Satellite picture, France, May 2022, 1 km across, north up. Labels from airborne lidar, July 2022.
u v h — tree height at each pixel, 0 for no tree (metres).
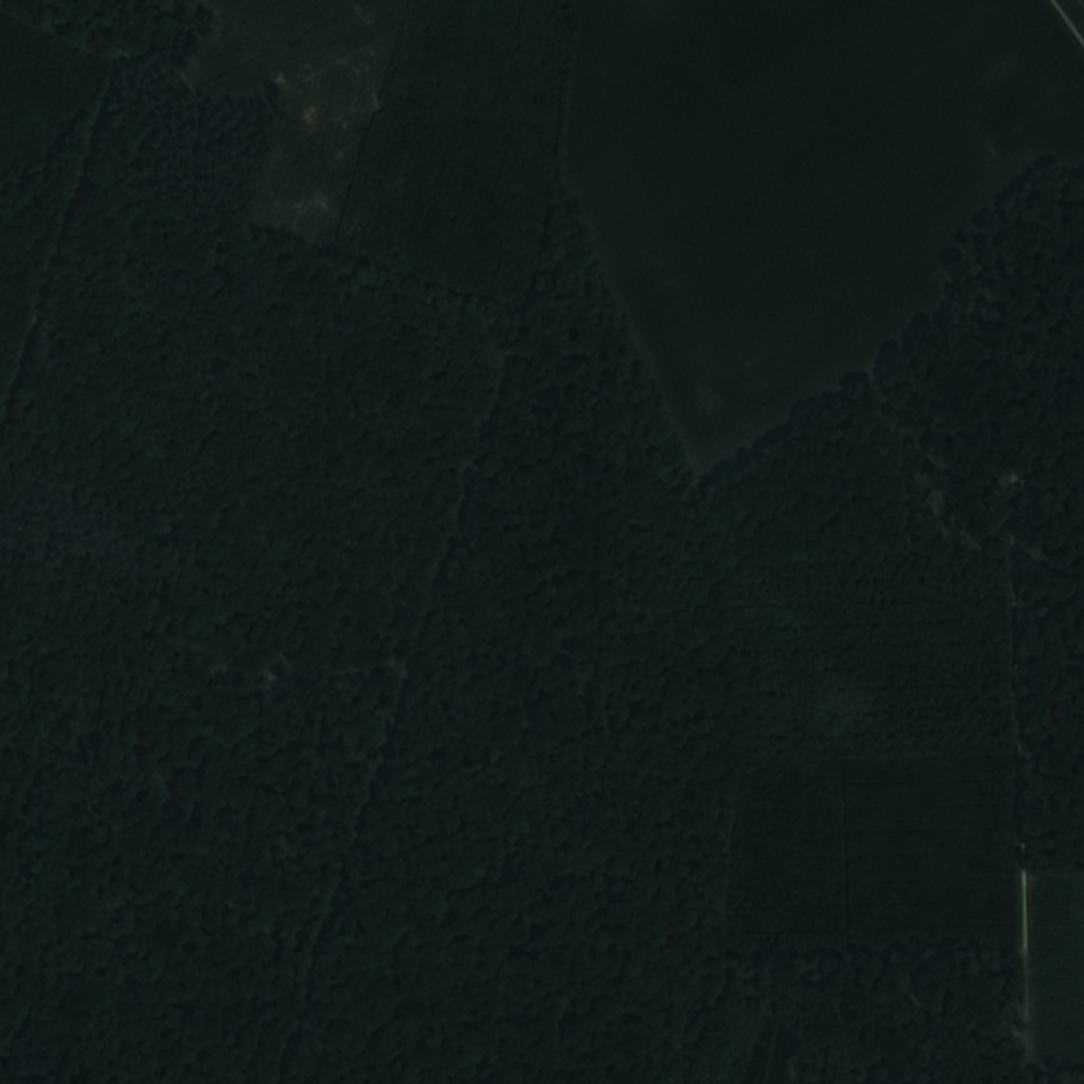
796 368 0
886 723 17
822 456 27
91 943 22
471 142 6
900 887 7
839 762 8
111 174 22
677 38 0
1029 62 0
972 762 6
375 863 29
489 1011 24
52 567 16
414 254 7
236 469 21
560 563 31
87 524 21
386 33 0
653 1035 26
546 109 10
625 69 0
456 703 26
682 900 30
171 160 25
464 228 8
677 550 25
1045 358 24
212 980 24
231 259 29
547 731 28
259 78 0
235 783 28
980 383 31
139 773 26
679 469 17
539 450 29
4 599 23
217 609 21
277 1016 27
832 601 19
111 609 23
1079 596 27
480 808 29
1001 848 6
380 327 22
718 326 0
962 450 31
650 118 0
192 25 21
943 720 18
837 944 9
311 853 29
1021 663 15
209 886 26
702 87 0
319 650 29
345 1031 26
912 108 0
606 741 30
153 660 24
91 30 20
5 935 27
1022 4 0
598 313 16
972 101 0
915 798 6
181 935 27
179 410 23
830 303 0
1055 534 30
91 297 22
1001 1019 25
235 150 29
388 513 23
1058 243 27
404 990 27
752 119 0
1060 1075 31
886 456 26
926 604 19
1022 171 0
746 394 0
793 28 0
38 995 28
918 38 0
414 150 7
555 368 18
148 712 29
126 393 25
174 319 23
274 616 25
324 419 24
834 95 0
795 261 0
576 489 29
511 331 24
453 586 25
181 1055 29
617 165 0
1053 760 33
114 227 23
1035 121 0
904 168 0
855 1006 32
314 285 30
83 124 19
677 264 0
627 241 0
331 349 25
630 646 30
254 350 22
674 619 24
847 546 29
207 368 21
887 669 17
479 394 28
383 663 27
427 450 27
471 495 26
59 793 26
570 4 8
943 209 0
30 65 9
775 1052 0
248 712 24
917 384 30
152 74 28
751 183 0
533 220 11
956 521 27
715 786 28
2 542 23
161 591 9
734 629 15
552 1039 34
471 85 7
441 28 7
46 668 28
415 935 26
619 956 30
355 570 30
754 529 27
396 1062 23
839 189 0
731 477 25
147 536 25
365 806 22
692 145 0
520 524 28
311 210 0
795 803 8
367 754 15
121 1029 29
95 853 28
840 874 7
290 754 27
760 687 17
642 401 23
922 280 0
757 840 8
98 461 22
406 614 24
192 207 25
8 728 24
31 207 25
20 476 24
